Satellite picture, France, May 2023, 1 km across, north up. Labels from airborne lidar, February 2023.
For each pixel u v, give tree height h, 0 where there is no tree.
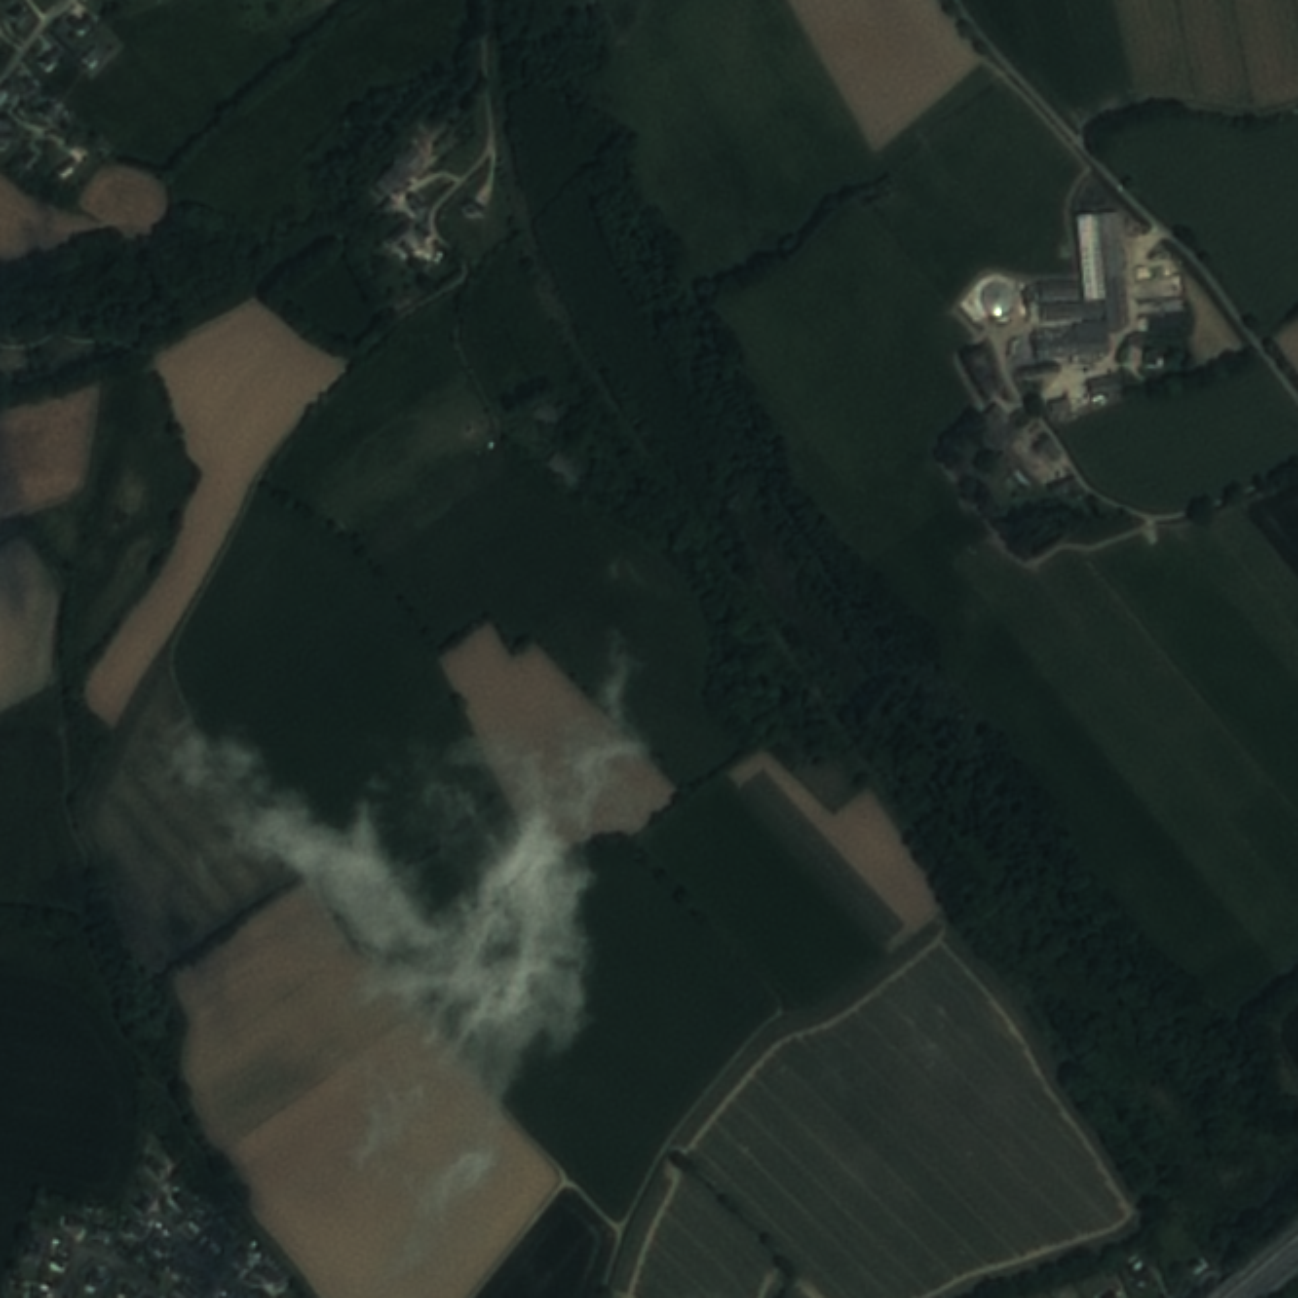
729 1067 0
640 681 0
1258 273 0
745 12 0
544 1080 0
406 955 0
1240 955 0
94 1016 0
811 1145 0
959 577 0
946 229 0
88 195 0
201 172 0
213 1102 0
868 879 0
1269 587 0
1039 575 0
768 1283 0
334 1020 0
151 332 15
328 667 0
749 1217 0
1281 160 0
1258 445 0
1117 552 0
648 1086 0
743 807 0
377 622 0
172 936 0
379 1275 0
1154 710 0
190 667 0
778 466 17
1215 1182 0
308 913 0
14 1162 0
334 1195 0
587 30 11
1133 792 0
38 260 13
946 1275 0
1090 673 0
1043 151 0
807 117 0
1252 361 11
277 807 0
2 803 0
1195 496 0
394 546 0
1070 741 0
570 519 0
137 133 0
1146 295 0
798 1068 0
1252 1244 10
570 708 0
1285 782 0
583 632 0
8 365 0
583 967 0
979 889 19
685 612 0
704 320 11
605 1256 0
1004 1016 0
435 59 0
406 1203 0
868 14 0
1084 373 0
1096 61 0
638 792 0
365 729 0
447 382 0
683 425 9
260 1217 0
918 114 0
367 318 0
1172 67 0
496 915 0
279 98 0
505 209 0
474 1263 0
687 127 0
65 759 0
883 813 0
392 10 0
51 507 0
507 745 0
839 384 0
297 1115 0
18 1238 11
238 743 0
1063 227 0
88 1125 0
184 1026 12
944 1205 0
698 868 0
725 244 0
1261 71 0
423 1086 0
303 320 16
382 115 22
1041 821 22
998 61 0
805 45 0
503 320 0
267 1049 0
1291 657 0
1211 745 0
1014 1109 0
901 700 21
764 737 10
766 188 0
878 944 0
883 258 0
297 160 0
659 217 13
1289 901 0
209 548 0
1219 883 0
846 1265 0
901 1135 0
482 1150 0
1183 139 0
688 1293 0
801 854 0
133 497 0
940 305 0
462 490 0
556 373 0
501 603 0
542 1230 0
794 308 0
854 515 0
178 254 21
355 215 14
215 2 0
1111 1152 11
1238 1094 17
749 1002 0
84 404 0
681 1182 0
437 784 0
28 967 0
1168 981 16
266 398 0
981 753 16
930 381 0
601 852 10
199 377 0
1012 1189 0
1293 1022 0
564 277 8
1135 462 0
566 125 8
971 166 0
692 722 0
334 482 0
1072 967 8
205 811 0
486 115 0
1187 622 0
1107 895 12
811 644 0
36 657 0
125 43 0
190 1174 6
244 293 0
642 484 12
